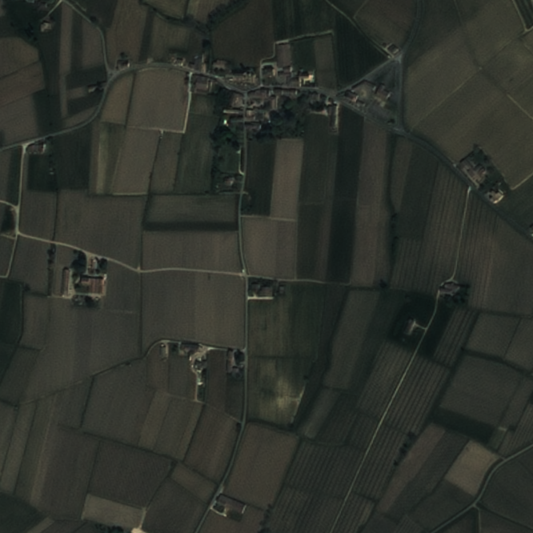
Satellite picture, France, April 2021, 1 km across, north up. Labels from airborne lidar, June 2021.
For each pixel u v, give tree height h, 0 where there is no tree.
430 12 0
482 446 0
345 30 0
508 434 0
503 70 0
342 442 0
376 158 0
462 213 0
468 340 0
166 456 0
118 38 0
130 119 0
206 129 0
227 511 0
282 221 0
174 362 0
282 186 0
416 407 0
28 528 0
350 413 0
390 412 0
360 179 0
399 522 0
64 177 0
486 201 0
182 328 0
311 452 0
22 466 0
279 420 0
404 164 0
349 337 0
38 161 0
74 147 0
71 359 0
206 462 0
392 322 0
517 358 0
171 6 0
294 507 0
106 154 0
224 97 8
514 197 0
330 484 0
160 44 0
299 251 0
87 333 0
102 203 0
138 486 0
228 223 0
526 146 0
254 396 0
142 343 0
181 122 0
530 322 0
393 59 0
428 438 0
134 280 0
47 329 0
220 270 0
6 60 0
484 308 0
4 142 0
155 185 0
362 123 0
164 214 0
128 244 0
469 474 0
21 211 0
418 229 0
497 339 0
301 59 0
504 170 0
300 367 0
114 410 0
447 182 0
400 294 0
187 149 0
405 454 16
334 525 0
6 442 0
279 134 9
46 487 0
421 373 0
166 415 0
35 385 0
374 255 0
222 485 0
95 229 0
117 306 0
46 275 0
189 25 23
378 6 0
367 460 0
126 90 0
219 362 0
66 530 0
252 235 0
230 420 0
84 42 0
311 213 0
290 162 0
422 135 0
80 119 0
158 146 0
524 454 0
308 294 0
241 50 0
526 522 0
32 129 0
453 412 0
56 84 0
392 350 0
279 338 0
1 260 0
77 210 0
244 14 0
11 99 0
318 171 0
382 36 0
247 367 0
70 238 0
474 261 0
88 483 0
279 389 0
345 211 0
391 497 0
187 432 0
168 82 0
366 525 0
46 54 0
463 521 0
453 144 0
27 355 0
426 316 0
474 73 0
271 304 0
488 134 0
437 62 0
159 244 0
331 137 0
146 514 0
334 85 0
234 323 0
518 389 0
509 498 0
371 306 0
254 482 0
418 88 0
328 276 0
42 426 0
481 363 0
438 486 0
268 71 0
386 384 0
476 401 0
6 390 0
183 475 0
